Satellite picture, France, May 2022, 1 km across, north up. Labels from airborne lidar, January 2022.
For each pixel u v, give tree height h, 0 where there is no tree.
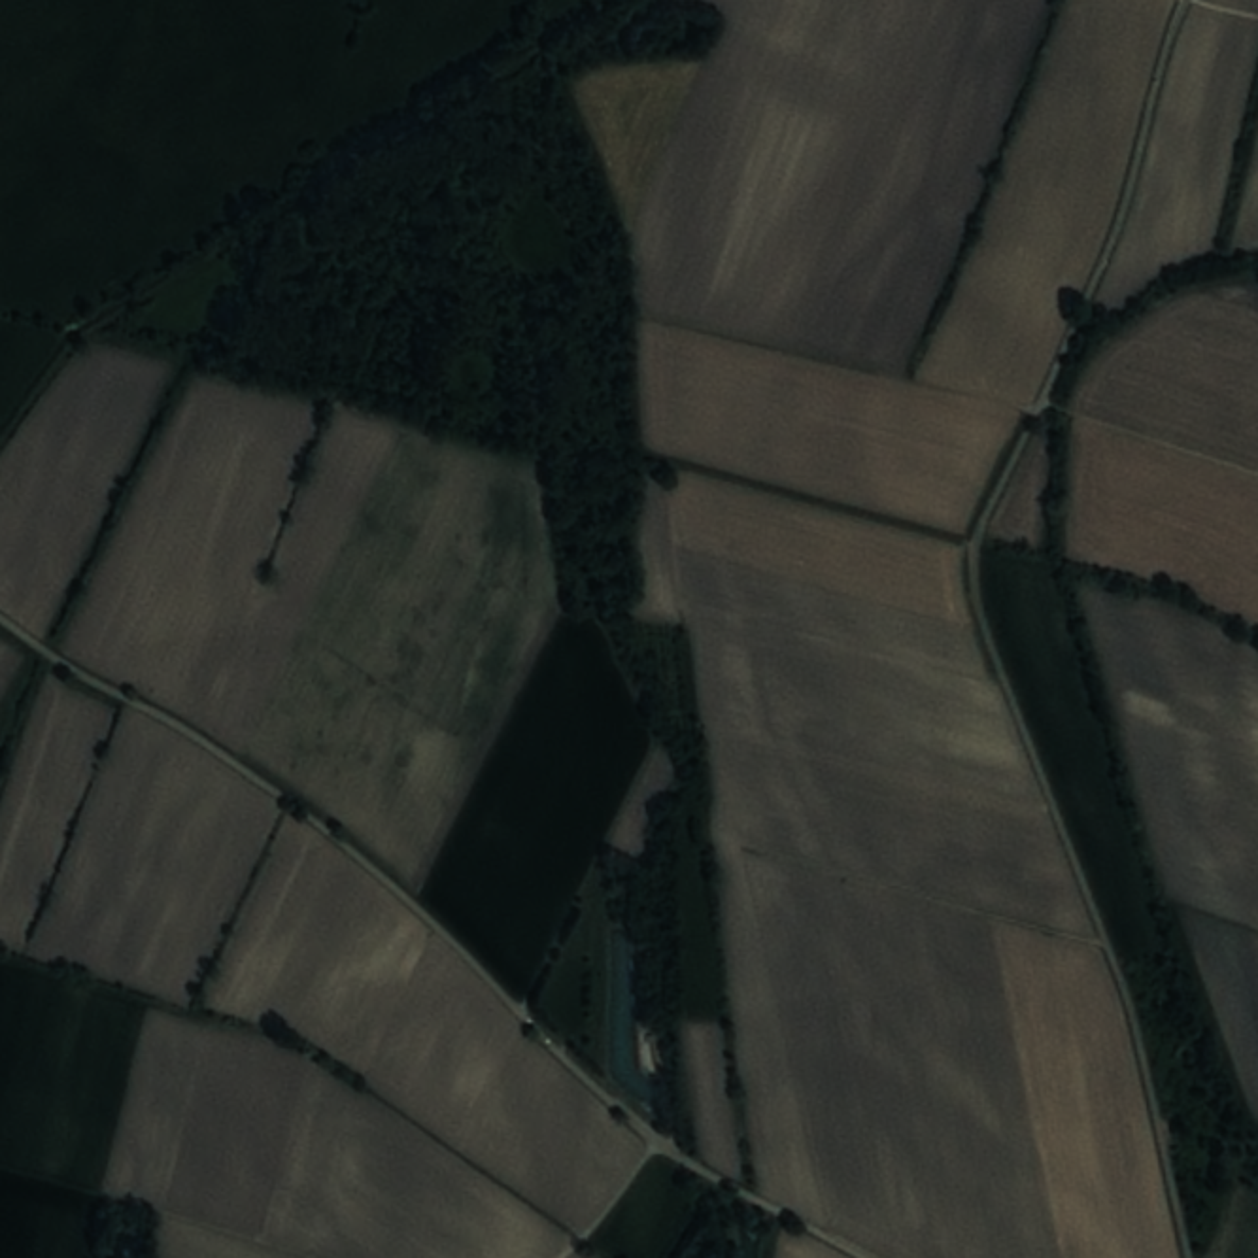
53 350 0
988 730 0
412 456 0
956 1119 0
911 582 0
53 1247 0
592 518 18
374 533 0
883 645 0
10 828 0
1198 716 0
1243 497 0
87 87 0
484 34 0
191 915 0
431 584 0
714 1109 0
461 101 32
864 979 0
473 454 0
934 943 0
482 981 0
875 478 0
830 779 0
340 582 0
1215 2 0
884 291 0
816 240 0
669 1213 0
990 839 0
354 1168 0
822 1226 0
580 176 6
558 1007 0
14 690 0
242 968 0
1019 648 0
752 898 0
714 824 0
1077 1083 0
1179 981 18
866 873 0
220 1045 0
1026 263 0
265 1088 0
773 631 0
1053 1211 0
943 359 0
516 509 0
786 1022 0
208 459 0
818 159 0
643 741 0
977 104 0
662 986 15
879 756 0
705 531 0
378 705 0
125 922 0
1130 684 0
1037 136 0
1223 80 0
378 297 17
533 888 0
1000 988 0
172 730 0
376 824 0
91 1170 0
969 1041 0
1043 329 0
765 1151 0
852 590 0
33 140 0
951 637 0
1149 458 0
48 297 0
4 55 0
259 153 0
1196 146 0
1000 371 0
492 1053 0
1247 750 0
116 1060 0
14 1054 0
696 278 0
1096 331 20
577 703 0
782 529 0
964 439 0
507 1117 0
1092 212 0
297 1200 0
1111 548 0
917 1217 0
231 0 0
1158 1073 0
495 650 0
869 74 0
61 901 0
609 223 6
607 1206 0
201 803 0
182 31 0
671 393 0
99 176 0
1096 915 0
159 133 0
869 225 0
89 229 0
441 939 0
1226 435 0
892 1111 0
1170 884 0
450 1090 0
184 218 0
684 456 0
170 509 0
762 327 0
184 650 0
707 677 0
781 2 0
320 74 0
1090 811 0
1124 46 0
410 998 0
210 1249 0
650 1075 0
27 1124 0
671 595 0
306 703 0
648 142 0
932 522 0
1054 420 12
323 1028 0
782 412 0
